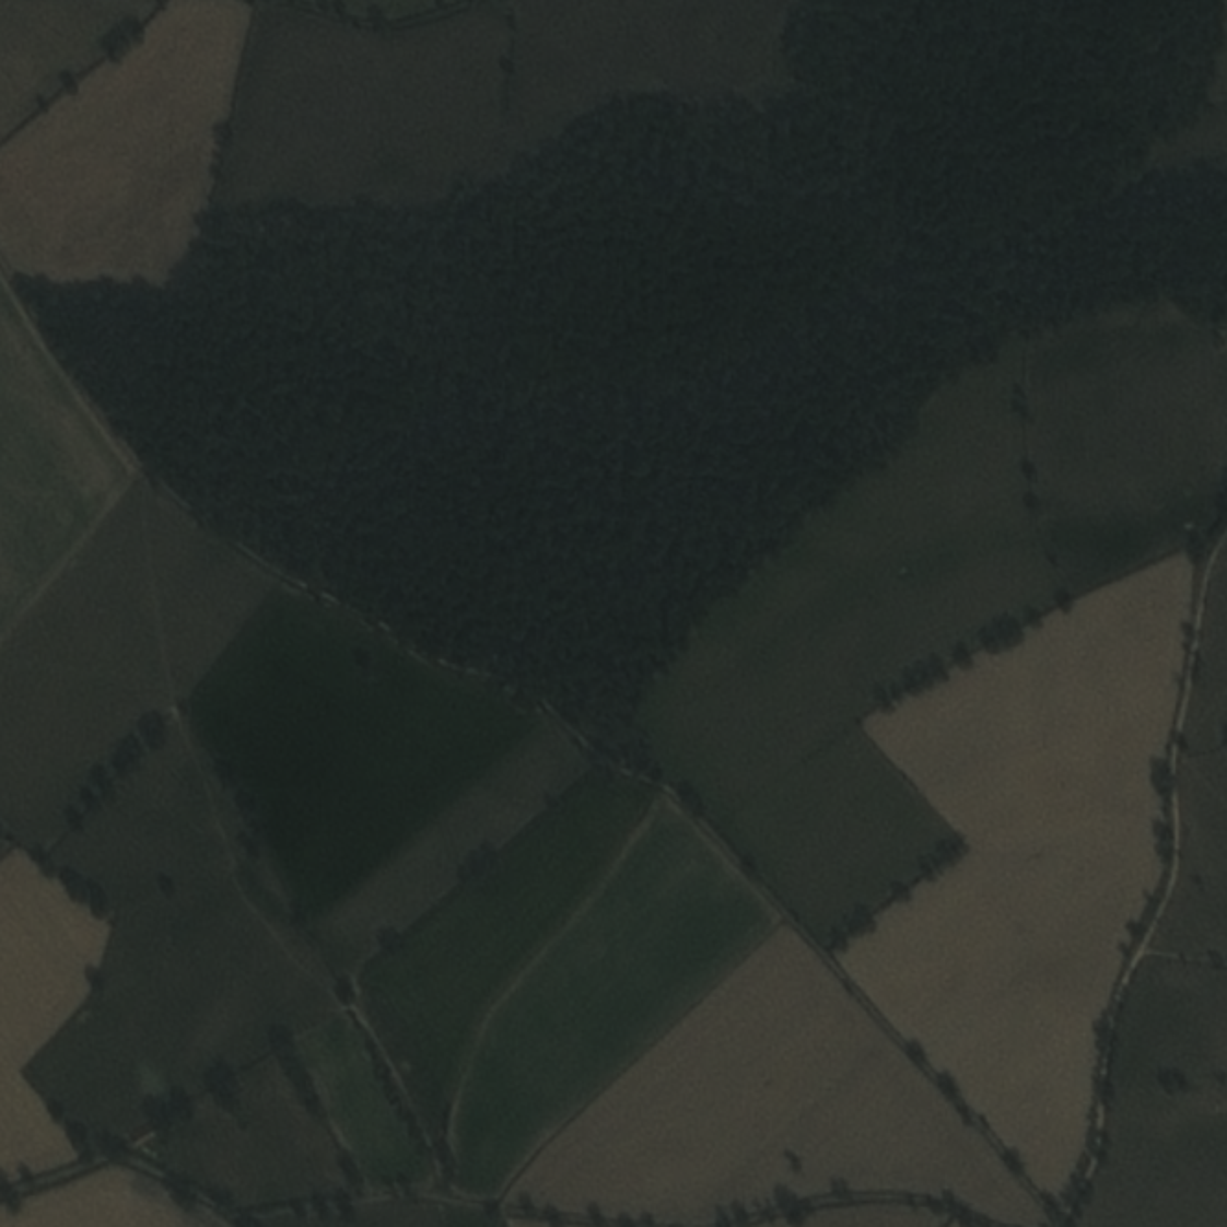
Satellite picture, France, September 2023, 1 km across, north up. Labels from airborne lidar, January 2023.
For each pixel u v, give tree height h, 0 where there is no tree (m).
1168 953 0
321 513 22
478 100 0
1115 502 0
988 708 0
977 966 0
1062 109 22
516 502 21
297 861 0
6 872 0
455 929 0
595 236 20
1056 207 25
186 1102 15
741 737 0
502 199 17
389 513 18
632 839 0
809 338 24
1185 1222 0
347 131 0
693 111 19
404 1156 0
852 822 0
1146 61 18
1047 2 23
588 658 24
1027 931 0
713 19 0
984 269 26
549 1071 0
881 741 0
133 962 0
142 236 0
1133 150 22
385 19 12
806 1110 0
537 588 24
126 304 21
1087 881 0
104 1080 0
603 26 0
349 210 7
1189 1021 0
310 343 22
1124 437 0
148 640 0
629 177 20
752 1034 0
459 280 20
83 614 0
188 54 0
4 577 0
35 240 0
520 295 16
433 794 0
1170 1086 13
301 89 0
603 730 21
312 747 0
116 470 0
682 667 0
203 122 0
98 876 0
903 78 22
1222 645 0
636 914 0
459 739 0
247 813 14
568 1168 0
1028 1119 0
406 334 25
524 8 0
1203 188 9
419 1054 0
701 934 0
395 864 0
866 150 21
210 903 0
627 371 24
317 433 19
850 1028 0
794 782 0
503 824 0
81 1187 0
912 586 0
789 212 21
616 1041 0
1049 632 0
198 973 0
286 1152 0
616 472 20
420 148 0
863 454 22
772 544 19
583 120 9
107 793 18
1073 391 0
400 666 0
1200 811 0
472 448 17
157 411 19
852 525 0
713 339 24
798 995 0
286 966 0
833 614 0
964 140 21
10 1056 0
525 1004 0
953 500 0
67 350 11
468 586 23
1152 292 15
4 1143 0
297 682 0
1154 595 0
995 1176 0
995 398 0
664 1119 0
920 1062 9
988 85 25
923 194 22
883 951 0
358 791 0
